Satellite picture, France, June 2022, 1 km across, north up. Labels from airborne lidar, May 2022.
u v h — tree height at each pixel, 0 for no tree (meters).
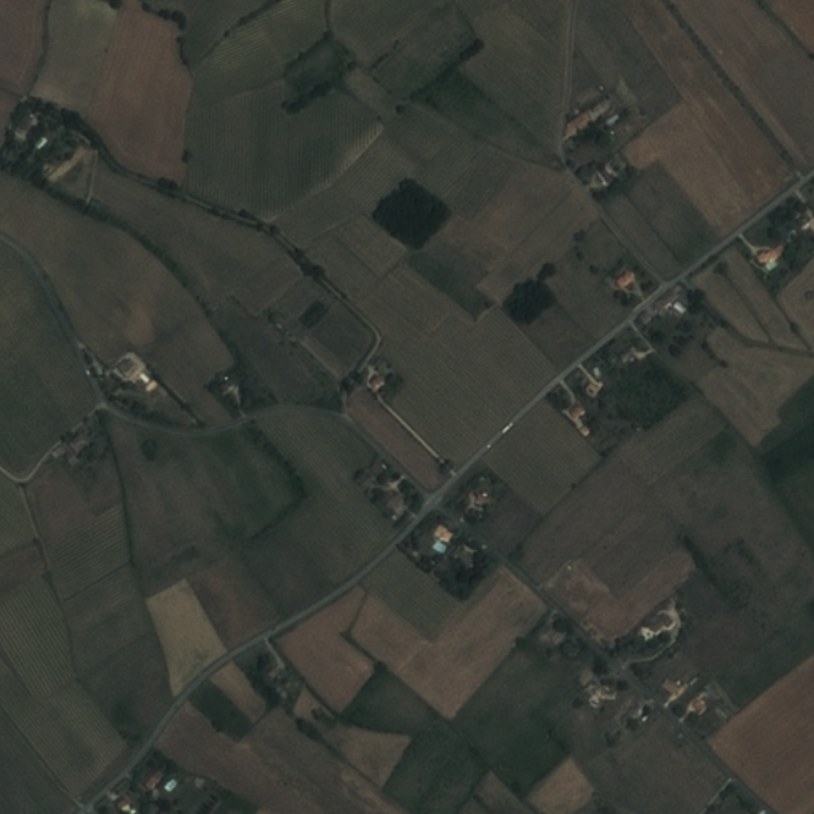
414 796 0
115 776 0
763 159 0
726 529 0
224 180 0
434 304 0
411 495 6
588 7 0
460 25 0
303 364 0
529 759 0
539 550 0
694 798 0
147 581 0
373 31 0
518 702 0
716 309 0
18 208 0
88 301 0
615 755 0
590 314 0
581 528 0
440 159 0
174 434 0
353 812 0
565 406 11
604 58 0
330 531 0
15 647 0
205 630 0
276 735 0
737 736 0
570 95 0
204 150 0
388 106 0
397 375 6
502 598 0
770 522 0
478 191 0
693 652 0
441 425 0
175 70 0
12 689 0
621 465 0
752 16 0
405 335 0
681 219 0
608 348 9
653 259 0
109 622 0
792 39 0
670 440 0
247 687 0
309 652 0
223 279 0
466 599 7
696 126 0
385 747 0
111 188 0
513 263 0
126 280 0
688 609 0
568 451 0
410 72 0
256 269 0
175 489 0
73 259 0
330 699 0
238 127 0
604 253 0
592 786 0
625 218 0
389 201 14
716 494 0
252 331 0
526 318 11
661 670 0
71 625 0
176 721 0
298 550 0
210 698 0
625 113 8
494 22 0
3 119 0
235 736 0
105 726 0
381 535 0
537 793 0
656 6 0
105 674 0
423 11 0
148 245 8
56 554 0
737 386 0
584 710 0
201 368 0
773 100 0
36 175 12
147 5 10
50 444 0
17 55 0
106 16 0
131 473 0
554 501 0
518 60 0
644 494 0
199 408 0
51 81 0
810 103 0
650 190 0
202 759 0
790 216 10
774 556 0
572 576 0
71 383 0
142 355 0
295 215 0
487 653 0
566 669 0
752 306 0
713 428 0
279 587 0
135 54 0
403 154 0
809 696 0
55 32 0
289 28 0
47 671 0
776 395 0
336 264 0
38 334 0
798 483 0
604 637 0
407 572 0
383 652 0
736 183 0
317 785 0
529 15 0
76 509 0
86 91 0
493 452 0
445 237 0
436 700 0
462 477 0
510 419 0
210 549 0
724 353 0
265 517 0
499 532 0
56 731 0
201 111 0
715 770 0
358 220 0
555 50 0
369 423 0
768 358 0
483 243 0
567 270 0
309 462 0
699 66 0
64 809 0
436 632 0
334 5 0
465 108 0
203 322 0
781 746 0
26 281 0
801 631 0
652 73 0
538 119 0
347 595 0
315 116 0
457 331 0
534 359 0
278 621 0
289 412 0
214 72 0
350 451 0
